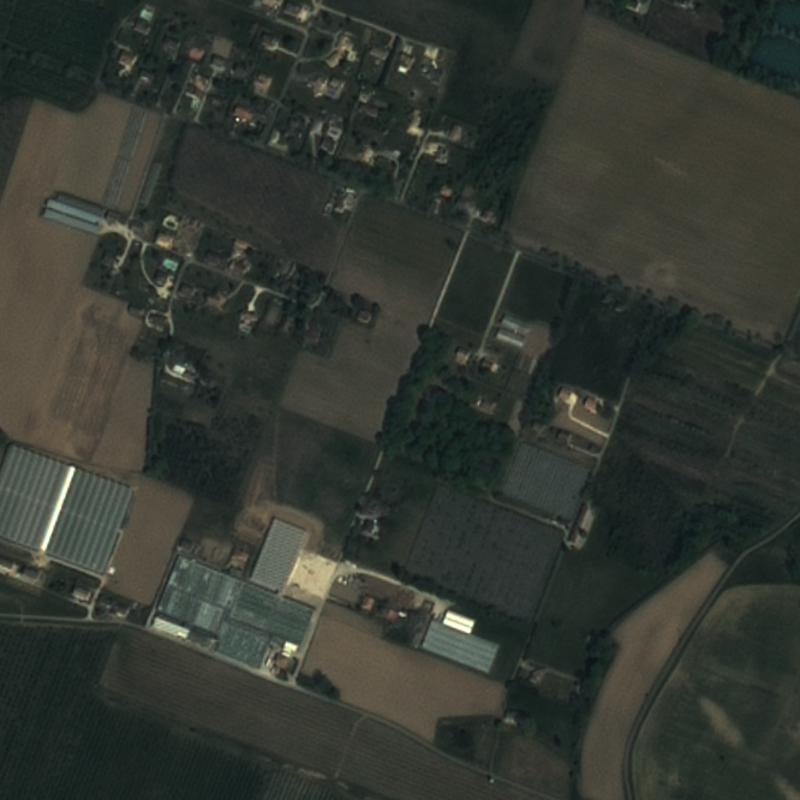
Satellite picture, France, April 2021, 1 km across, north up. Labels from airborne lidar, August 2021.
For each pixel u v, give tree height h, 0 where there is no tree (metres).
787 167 0
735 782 0
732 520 20
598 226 0
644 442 8
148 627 0
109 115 0
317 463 0
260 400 0
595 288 17
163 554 0
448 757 0
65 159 0
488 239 15
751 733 0
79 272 0
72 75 13
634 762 0
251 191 19
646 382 8
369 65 0
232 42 0
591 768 0
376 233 0
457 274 0
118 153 0
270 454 0
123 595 0
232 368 0
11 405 0
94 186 0
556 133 0
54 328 0
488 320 0
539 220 0
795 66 0
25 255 0
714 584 0
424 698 0
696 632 0
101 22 7
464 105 0
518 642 0
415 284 0
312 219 18
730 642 0
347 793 0
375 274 0
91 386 0
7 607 0
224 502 11
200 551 0
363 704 0
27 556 0
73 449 0
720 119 0
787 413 6
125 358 0
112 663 0
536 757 0
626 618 0
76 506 0
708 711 0
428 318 0
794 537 0
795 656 0
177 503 0
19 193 0
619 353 0
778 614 0
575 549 6
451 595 12
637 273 0
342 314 6
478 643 0
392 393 0
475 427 14
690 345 0
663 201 0
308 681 0
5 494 0
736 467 8
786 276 0
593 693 23
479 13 0
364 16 0
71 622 0
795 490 8
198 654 0
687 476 10
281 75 0
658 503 8
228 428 9
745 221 0
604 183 0
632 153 0
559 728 0
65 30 6
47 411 0
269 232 14
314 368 0
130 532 0
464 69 0
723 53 29
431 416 26
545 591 0
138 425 0
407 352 0
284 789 6
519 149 11
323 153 8
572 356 0
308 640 0
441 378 17
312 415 0
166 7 0
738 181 0
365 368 0
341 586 0
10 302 0
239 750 0
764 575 0
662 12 0
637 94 0
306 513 0
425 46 0
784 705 0
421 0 0
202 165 18
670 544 7
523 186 0
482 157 5
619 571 0
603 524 0
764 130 0
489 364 0
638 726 0
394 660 0
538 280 0
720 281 0
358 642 0
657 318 14
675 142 0
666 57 0
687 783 0
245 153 18
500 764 0
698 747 0
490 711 0
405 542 0
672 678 0
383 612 8
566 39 0
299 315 11
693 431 12
